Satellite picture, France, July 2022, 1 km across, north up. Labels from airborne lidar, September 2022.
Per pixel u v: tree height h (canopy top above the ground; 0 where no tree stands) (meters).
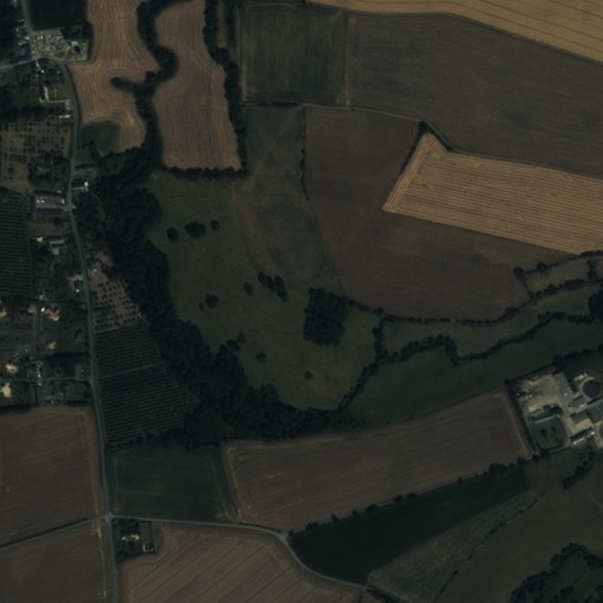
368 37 0
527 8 0
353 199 0
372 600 0
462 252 0
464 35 0
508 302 0
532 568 0
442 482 0
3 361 0
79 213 12
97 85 0
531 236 0
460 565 0
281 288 23
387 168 0
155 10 9
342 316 32
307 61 0
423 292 0
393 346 0
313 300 11
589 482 0
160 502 0
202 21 0
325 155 0
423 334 0
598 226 0
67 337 0
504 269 0
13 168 7
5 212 6
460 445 0
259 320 0
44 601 0
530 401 0
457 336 0
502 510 0
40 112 21
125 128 0
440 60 0
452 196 0
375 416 0
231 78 21
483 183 0
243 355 0
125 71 0
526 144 0
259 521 0
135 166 22
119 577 0
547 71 0
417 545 0
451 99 0
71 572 0
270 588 0
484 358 11
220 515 0
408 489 0
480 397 0
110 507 0
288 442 0
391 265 0
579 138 0
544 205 0
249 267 0
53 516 0
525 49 0
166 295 33
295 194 0
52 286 7
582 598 0
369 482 0
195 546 0
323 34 0
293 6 0
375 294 0
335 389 0
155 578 0
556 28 0
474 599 0
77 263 8
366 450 0
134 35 0
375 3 0
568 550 8
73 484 0
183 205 0
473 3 0
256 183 0
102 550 0
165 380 6
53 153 9
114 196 14
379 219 0
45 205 0
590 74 0
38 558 0
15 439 0
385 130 0
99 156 11
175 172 14
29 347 0
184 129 0
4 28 18
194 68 0
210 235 0
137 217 34
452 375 0
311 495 0
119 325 10
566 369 7
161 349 9
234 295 0
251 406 34
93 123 0
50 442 0
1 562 0
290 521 0
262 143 0
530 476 0
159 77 8
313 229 0
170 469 0
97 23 0
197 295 0
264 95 0
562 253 0
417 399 0
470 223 0
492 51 0
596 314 26
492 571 0
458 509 0
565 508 0
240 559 0
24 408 11
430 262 0
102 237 15
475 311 0
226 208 0
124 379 6
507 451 0
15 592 0
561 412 8
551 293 13
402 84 0
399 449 0
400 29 0
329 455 0
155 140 10
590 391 0
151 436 18
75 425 0
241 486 0
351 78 0
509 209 0
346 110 0
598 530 0
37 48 0
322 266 0
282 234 0
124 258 20
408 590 0
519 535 0
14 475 0
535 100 0
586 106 0
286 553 0
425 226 0
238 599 0
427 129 8
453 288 0
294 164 0
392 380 0
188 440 21
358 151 0
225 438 8
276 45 0
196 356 38
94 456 0
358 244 0
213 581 0
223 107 0
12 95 16
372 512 10
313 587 0
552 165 0
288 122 0
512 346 0
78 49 11
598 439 0
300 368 0
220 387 0
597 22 0
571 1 0
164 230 0
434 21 0
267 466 0
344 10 0
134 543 9
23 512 0
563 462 0
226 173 6
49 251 18
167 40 0
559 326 0
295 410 16
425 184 0
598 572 0
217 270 0
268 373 0
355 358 0
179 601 0
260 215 0
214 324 0
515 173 0
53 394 6
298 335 0
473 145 0
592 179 0
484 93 0
